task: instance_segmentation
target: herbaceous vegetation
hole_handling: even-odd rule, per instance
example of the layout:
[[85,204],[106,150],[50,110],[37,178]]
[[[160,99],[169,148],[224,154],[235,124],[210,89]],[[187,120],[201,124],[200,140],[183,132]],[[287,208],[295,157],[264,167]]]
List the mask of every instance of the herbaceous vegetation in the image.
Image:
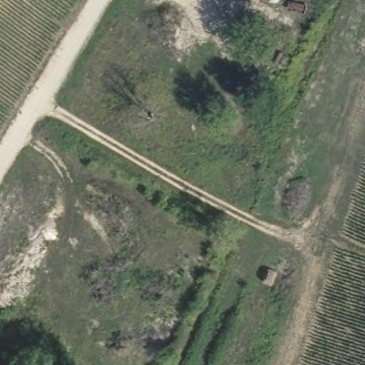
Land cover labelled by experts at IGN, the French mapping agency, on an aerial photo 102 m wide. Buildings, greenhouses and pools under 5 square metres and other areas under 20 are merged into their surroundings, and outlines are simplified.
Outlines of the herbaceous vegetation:
[[210,124],[214,123],[215,118],[221,120],[224,107],[227,107],[232,98],[240,96],[242,86],[250,83],[252,76],[257,76],[258,68],[252,64],[230,61],[232,56],[224,43],[215,34],[208,34],[207,43],[194,44],[184,50],[175,47],[175,29],[181,24],[184,9],[178,4],[164,0],[111,0],[94,27],[93,34],[74,60],[66,80],[58,88],[56,106],[47,117],[40,118],[33,125],[29,143],[21,148],[16,160],[0,182],[0,319],[40,319],[44,329],[57,336],[67,351],[67,358],[71,359],[74,365],[271,365],[271,359],[277,356],[284,336],[294,322],[294,309],[301,298],[301,288],[305,282],[302,267],[308,262],[301,252],[295,250],[294,244],[308,241],[312,254],[317,252],[321,232],[327,227],[329,218],[335,218],[336,215],[335,195],[341,195],[346,177],[349,175],[338,167],[338,164],[342,163],[344,154],[354,155],[358,150],[361,141],[358,137],[365,121],[365,0],[338,0],[338,3],[342,4],[338,11],[338,20],[334,27],[328,29],[332,33],[331,46],[322,57],[317,80],[311,81],[308,90],[305,91],[304,106],[289,130],[289,137],[297,137],[297,147],[292,148],[288,157],[287,173],[278,178],[274,190],[274,204],[277,207],[272,210],[272,220],[269,222],[259,220],[250,212],[215,197],[204,188],[197,187],[192,182],[171,173],[167,168],[161,167],[165,161],[178,153],[182,144],[191,143],[194,138],[204,137],[210,131]]

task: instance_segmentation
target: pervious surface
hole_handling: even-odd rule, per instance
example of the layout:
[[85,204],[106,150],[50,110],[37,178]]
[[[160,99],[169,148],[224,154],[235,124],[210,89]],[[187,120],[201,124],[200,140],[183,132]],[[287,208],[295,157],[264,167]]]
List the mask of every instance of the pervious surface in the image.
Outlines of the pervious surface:
[[281,21],[287,26],[294,23],[291,17],[285,16],[284,13],[277,13],[264,6],[261,0],[164,0],[178,4],[184,9],[181,24],[175,29],[175,47],[184,50],[194,44],[207,43],[208,34],[215,34],[224,43],[237,40],[238,30],[252,29],[254,10],[261,11],[267,19]]
[[38,78],[36,86],[27,96],[16,120],[11,123],[0,143],[0,182],[16,160],[21,148],[29,143],[33,125],[40,118],[47,117],[56,106],[58,88],[66,80],[74,60],[93,34],[94,27],[111,0],[87,0],[86,6],[78,14],[76,23],[67,31],[66,37],[48,61],[46,70]]

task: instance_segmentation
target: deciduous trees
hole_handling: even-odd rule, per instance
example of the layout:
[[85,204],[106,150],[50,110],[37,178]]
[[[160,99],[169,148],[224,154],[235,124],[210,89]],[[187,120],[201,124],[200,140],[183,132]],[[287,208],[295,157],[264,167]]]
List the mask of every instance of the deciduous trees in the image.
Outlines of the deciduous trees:
[[57,336],[44,329],[40,319],[0,319],[0,365],[74,365],[71,359],[67,358],[67,351]]

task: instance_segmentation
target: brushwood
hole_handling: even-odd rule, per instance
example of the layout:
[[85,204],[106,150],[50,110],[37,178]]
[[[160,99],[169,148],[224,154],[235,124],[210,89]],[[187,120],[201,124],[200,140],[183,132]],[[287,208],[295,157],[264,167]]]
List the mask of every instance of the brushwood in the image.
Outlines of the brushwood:
[[297,147],[297,137],[289,137],[289,130],[304,106],[305,91],[308,90],[311,81],[317,80],[322,57],[331,46],[332,33],[328,29],[334,27],[338,20],[338,11],[342,4],[338,3],[338,0],[261,0],[264,6],[277,13],[284,13],[285,16],[291,17],[294,23],[287,26],[281,21],[267,19],[261,11],[254,10],[252,29],[238,30],[237,40],[224,43],[232,56],[230,61],[252,64],[258,68],[257,76],[252,76],[250,83],[242,86],[240,96],[232,98],[227,107],[224,107],[221,120],[215,118],[214,123],[210,124],[210,131],[204,137],[194,138],[191,143],[182,144],[178,153],[165,161],[161,167],[167,168],[171,173],[192,182],[197,187],[204,188],[215,197],[250,212],[259,220],[269,222],[272,220],[272,210],[277,207],[274,204],[274,190],[278,178],[287,173],[288,157],[292,148]]

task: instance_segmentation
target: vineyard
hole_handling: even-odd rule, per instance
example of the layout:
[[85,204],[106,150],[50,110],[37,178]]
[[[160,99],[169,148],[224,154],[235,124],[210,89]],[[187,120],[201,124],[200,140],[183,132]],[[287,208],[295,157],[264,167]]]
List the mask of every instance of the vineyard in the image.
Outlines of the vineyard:
[[86,6],[87,0],[0,0],[0,143],[11,123],[16,120],[27,96],[36,86],[38,78],[46,70],[48,61],[66,37],[67,31],[76,23],[78,14]]
[[327,227],[321,232],[317,252],[312,254],[308,241],[294,244],[295,250],[301,252],[308,262],[302,267],[305,282],[301,288],[301,298],[294,309],[294,322],[284,336],[277,356],[271,359],[271,365],[365,365],[365,121],[358,137],[361,141],[358,150],[354,155],[344,154],[342,163],[338,164],[338,167],[349,175],[346,177],[341,195],[335,195],[336,215],[335,218],[329,218]]

